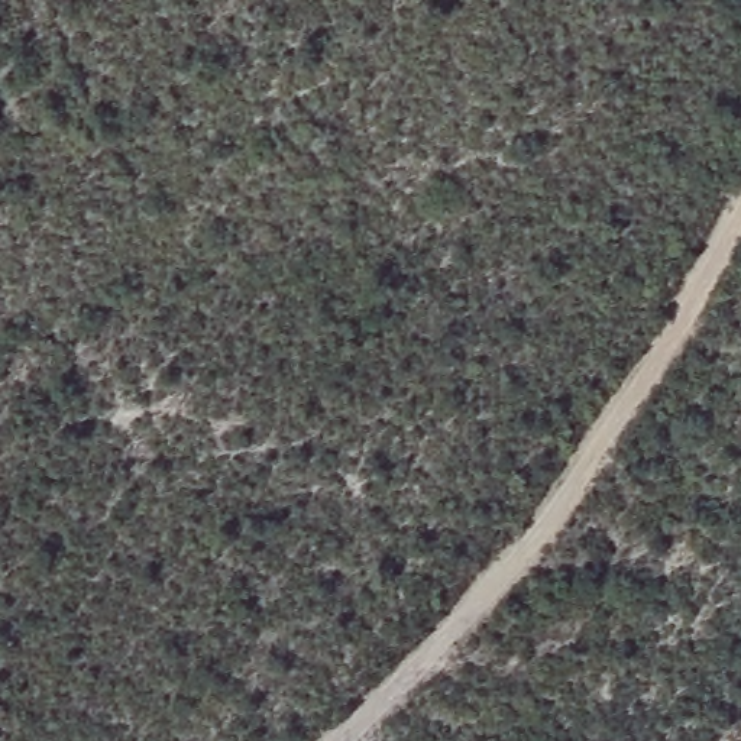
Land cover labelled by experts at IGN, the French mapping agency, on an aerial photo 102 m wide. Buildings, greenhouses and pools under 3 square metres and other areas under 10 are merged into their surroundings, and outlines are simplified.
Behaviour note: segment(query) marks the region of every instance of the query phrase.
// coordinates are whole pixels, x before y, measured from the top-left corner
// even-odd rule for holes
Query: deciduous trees
[[[712,9],[732,26],[735,35],[741,35],[741,0],[718,0]]]

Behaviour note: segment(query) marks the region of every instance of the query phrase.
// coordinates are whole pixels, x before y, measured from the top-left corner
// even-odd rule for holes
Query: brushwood
[[[533,527],[538,507],[567,469],[588,428],[599,420],[608,399],[622,388],[631,368],[651,350],[651,342],[674,318],[677,295],[683,289],[686,275],[706,252],[709,234],[718,226],[718,217],[724,214],[727,203],[741,194],[741,35],[735,35],[732,26],[712,9],[718,0],[0,0],[0,741],[318,741],[327,729],[344,724],[411,651],[417,651],[434,634],[434,628],[472,588],[472,582],[515,538],[521,538]]]
[[[732,249],[729,266],[721,272],[715,289],[709,292],[695,336],[683,344],[677,359],[663,373],[660,385],[654,385],[648,399],[640,405],[637,417],[625,425],[611,452],[611,463],[593,478],[593,486],[570,512],[564,527],[556,533],[556,541],[544,544],[538,564],[530,567],[530,573],[512,585],[512,590],[492,608],[489,617],[480,619],[480,625],[469,637],[454,643],[449,666],[431,674],[428,680],[417,683],[408,692],[405,703],[394,709],[388,718],[382,718],[382,724],[373,729],[373,741],[741,741],[741,240]]]

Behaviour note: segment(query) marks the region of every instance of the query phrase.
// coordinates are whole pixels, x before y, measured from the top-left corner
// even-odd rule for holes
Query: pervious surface
[[[428,680],[431,674],[449,666],[454,643],[469,637],[480,625],[480,619],[489,617],[492,608],[512,590],[512,585],[530,573],[530,567],[538,564],[544,544],[556,541],[556,533],[564,527],[570,512],[593,486],[593,478],[611,463],[611,452],[625,425],[637,417],[640,405],[648,399],[654,385],[660,385],[663,373],[677,359],[683,344],[695,336],[709,292],[715,289],[721,272],[729,266],[732,249],[741,240],[741,194],[727,203],[724,214],[718,217],[718,226],[709,234],[706,252],[686,275],[683,289],[677,295],[674,318],[651,342],[651,350],[631,368],[622,388],[608,399],[599,420],[588,428],[567,469],[538,507],[533,527],[521,538],[515,538],[472,582],[472,588],[434,628],[434,634],[417,651],[411,651],[344,724],[327,729],[318,741],[373,741],[373,729],[382,724],[382,718],[388,718],[394,709],[405,703],[408,692],[417,683]]]

